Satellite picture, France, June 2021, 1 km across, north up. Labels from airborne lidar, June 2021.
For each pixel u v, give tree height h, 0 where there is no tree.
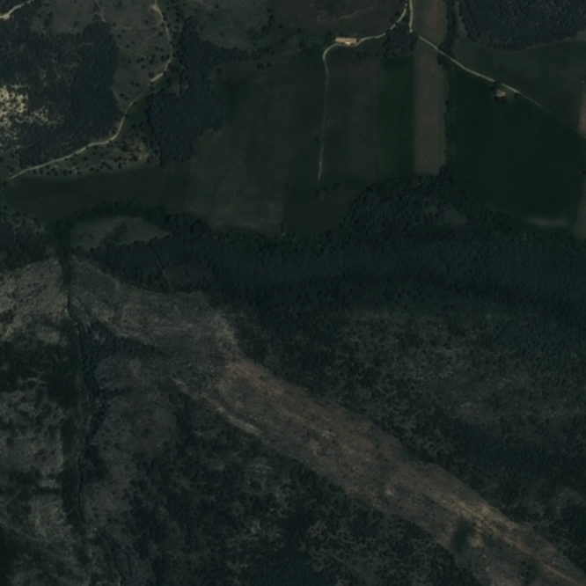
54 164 0
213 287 7
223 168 0
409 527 7
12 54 7
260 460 0
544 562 0
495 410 8
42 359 9
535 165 0
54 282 0
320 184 0
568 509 5
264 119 0
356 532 8
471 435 5
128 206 6
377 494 0
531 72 0
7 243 9
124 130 0
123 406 0
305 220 0
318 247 6
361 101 0
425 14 0
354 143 0
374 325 7
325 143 0
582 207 0
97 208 9
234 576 7
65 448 6
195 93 12
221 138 0
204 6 0
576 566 5
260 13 0
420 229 13
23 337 7
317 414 0
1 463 0
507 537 0
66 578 0
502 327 8
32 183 0
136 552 7
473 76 0
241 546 6
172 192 0
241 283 12
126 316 0
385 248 17
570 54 0
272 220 0
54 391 10
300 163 0
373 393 7
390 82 0
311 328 6
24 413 6
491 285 13
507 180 0
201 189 0
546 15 11
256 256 9
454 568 6
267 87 0
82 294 0
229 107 0
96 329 6
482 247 12
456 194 9
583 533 8
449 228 9
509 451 9
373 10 0
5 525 0
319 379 6
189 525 6
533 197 0
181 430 9
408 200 18
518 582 0
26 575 0
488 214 9
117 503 0
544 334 10
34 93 7
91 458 8
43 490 11
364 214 9
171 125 11
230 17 0
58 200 0
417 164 0
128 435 0
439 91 0
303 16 0
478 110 0
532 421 7
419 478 0
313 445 0
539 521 7
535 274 12
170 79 10
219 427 0
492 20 9
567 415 0
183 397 7
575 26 11
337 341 8
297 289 7
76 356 15
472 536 0
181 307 0
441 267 15
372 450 0
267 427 0
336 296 14
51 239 12
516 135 0
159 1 0
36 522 0
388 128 0
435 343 9
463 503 0
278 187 0
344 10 0
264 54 9
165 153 15
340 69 0
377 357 7
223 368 0
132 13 0
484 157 0
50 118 5
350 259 15
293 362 6
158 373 0
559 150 0
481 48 0
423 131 0
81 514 8
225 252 13
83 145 7
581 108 0
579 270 11
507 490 7
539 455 8
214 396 0
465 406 0
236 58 12
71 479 12
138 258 12
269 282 12
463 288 10
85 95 11
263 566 7
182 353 0
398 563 8
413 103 0
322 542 9
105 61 12
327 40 9
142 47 0
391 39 10
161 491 9
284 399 0
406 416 7
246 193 0
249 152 0
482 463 8
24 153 7
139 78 0
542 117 0
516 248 16
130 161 7
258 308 8
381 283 8
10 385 6
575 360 6
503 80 0
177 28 9
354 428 0
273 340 6
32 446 0
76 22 6
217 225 0
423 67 0
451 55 12
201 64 18
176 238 9
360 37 0
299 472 6
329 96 0
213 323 0
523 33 8
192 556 0
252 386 0
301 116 0
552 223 0
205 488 6
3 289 0
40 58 7
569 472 7
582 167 0
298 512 6
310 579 7
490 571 0
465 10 11
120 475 0
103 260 6
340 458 0
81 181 0
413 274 14
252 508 6
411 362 0
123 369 0
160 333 0
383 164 0
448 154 6
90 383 14
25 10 8
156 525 8
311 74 0
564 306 13
